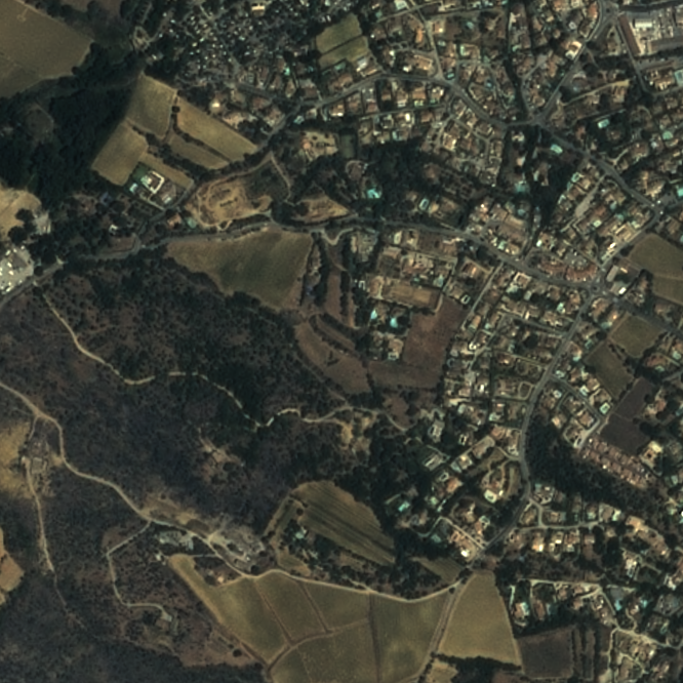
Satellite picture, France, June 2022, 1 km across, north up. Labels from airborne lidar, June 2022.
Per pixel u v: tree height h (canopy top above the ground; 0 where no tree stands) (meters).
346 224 7
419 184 9
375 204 11
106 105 29
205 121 0
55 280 7
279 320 9
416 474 15
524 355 5
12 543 12
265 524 9
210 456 10
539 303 8
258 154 7
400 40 9
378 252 6
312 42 9
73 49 0
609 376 0
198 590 0
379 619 0
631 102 10
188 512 0
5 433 0
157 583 7
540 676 0
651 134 12
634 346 0
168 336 7
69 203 9
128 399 9
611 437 0
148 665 6
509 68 10
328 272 9
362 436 13
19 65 0
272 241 0
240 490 8
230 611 0
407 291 0
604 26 0
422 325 0
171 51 11
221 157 0
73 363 0
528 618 9
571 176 7
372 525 0
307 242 0
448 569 0
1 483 0
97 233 11
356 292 14
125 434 9
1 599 0
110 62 12
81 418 12
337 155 10
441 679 0
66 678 7
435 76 0
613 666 8
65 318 14
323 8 11
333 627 0
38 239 16
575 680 10
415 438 10
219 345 10
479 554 0
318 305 9
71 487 0
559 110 0
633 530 10
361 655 0
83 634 8
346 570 11
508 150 7
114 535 0
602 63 11
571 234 0
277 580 0
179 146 0
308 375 13
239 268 0
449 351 7
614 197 0
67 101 16
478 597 0
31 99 15
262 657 0
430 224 14
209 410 12
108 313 6
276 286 0
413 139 7
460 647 0
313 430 6
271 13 8
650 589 8
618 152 9
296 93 8
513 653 0
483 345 8
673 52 9
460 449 12
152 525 6
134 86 0
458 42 9
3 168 25
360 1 7
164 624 0
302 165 0
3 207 0
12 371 9
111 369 7
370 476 10
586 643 7
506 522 11
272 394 9
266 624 0
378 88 6
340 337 0
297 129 7
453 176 6
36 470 0
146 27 6
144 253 11
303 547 14
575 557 7
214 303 7
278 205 17
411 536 10
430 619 0
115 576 0
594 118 9
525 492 9
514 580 11
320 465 8
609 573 8
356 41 0
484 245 7
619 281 10
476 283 10
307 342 0
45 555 0
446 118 7
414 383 0
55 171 25
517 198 6
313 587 0
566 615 10
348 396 8
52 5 13
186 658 0
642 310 6
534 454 9
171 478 7
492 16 9
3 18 0
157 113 0
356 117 7
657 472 11
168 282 17
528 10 6
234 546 13
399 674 0
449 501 12
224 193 0
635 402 0
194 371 6
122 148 0
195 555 6
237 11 8
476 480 7
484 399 6
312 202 0
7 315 0
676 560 7
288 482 8
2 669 12
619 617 8
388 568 11
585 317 11
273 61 8
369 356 11
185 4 11
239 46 11
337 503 0
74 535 7
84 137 19
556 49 7
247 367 9
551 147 7
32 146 6
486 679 12
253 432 11
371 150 7
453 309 0
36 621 12
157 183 0
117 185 6
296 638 0
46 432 0
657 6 0
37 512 0
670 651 9
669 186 11
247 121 7
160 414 8
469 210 9
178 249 0
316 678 0
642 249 0
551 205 9
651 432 12
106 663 0
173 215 11
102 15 19
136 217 15
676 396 7
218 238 0
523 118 6
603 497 11
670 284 0
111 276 0
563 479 8
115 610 7
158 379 8
